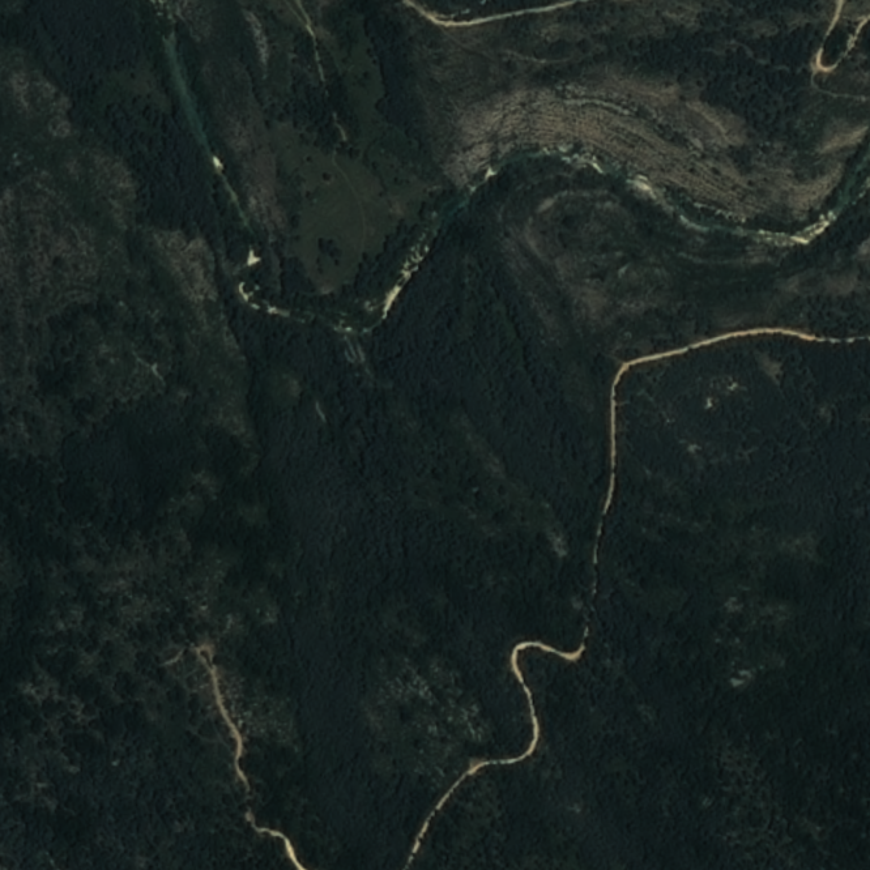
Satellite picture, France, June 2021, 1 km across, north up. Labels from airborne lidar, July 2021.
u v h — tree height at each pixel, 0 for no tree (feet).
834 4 0
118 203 0
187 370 21
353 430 0
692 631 27
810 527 23
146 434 26
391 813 31
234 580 32
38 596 31
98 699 31
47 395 19
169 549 18
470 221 32
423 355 56
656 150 0
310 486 37
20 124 0
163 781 29
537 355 37
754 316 0
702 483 24
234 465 36
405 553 29
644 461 26
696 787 29
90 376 0
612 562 0
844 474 46
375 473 30
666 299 0
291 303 20
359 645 29
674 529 20
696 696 27
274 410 43
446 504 27
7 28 34
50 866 30
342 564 18
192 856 42
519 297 37
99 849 34
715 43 33
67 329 20
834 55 28
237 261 31
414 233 52
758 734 35
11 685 25
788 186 0
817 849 28
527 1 21
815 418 24
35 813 32
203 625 26
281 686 22
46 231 0
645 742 23
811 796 21
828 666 37
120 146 47
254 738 27
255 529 40
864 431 29
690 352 29
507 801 30
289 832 31
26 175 0
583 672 30
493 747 23
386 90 27
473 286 25
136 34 45
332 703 43
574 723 25
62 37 57
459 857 22
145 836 26
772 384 24
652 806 31
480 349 47
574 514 29
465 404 41
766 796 31
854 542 21
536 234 0
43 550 32
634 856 39
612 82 0
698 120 0
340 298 19
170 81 20
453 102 0
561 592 43
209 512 25
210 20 0
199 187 62
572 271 0
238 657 28
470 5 23
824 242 26
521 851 29
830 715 31
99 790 41
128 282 23
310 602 27
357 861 47
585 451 46
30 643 23
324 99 31
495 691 29
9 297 0
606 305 0
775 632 21
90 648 24
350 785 41
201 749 24
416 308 66
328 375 61
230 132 0
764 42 33
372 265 34
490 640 29
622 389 26
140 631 24
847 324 35
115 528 30
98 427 33
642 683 31
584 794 22
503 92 0
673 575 34
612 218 0
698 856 30
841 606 26
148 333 24
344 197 0
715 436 20
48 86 0
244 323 48
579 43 29
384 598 29
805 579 27
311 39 20
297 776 38
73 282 0
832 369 39
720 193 0
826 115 0
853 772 31
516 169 29
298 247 0
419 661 25
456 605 23
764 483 26
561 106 0
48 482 29
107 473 26
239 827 31
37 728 23
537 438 44
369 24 51
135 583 21
